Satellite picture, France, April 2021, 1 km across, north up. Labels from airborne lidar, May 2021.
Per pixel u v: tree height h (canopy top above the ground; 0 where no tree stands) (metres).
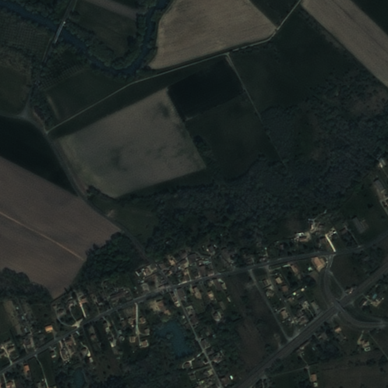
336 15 0
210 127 0
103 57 16
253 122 0
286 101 0
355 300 0
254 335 0
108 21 0
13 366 0
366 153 22
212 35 0
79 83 0
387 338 0
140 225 0
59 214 0
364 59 0
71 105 0
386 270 0
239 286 0
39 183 0
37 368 0
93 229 0
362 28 0
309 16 8
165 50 0
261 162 14
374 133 14
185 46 0
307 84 0
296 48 0
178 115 0
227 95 0
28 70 17
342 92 11
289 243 0
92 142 0
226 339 15
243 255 7
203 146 23
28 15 0
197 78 0
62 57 19
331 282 0
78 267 0
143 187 0
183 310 0
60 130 0
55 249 0
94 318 0
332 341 8
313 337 6
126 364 14
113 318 0
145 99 0
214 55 0
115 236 7
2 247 0
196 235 0
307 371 8
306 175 14
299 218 0
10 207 0
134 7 0
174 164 0
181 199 18
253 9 0
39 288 11
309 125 6
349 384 0
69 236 0
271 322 0
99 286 16
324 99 0
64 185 0
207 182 0
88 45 15
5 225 0
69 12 0
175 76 0
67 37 0
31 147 0
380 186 0
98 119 0
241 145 0
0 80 0
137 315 0
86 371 13
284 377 0
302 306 7
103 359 9
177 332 0
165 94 0
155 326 8
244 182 15
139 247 0
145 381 12
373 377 0
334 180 22
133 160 0
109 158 0
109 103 0
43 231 0
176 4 0
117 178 0
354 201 0
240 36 0
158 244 14
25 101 0
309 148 0
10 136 0
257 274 0
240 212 20
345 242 8
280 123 12
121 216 0
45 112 15
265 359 10
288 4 0
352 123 11
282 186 15
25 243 0
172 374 8
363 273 0
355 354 6
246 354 0
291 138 10
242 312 0
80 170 0
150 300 11
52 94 0
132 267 6
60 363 12
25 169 0
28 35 28
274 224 21
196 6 0
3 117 0
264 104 0
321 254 0
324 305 0
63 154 0
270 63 0
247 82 0
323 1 0
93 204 0
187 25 0
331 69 0
